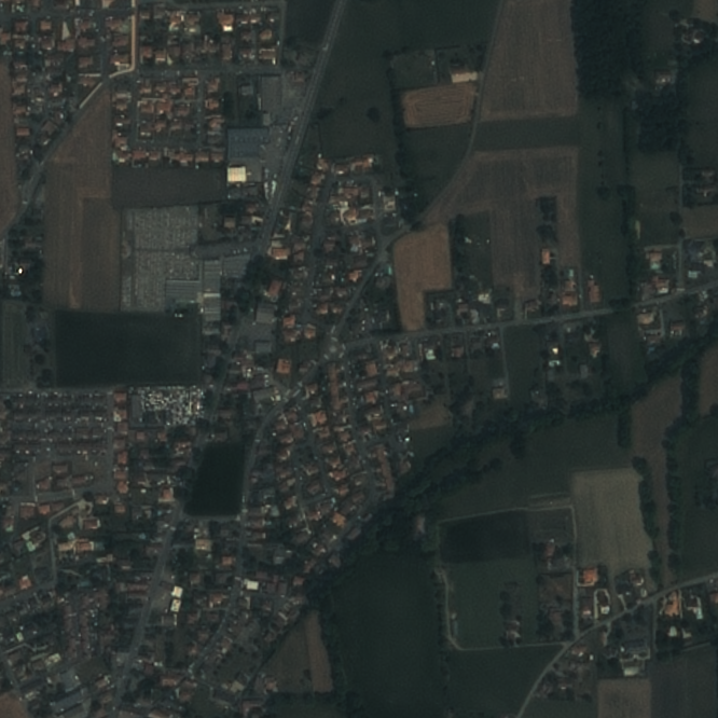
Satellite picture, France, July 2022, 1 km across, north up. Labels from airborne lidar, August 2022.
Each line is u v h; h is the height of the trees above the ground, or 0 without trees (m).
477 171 0
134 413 0
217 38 7
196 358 0
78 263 0
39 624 9
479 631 0
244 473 0
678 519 20
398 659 0
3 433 0
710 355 0
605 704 0
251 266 18
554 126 0
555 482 0
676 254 0
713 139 0
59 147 0
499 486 0
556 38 0
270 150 0
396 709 0
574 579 0
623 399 13
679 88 15
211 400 17
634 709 0
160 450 8
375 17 0
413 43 0
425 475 12
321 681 0
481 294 0
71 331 0
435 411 0
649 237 0
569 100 0
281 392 0
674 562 22
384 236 0
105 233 0
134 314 0
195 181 0
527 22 0
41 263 12
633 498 0
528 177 0
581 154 0
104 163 0
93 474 0
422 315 0
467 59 0
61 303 0
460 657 0
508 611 9
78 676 0
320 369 6
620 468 0
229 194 0
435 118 0
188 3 0
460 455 22
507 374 0
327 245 0
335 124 0
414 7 0
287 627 7
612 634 6
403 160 18
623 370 0
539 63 0
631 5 13
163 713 0
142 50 0
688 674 0
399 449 0
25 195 0
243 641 0
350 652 0
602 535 0
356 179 0
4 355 0
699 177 10
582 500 0
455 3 0
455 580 0
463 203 0
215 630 7
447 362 0
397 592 0
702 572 0
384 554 9
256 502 6
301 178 5
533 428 21
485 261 0
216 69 0
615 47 8
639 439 0
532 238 0
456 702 0
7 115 0
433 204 0
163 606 0
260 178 0
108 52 0
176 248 0
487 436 23
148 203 0
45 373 9
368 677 0
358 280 5
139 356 0
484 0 0
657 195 0
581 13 22
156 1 0
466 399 14
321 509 0
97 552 0
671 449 23
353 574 16
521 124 0
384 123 0
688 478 0
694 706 0
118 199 0
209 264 0
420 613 0
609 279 0
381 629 0
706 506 15
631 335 0
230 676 0
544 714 0
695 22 12
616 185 0
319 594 18
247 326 0
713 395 0
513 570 0
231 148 0
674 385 0
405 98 0
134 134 0
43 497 0
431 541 23
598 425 0
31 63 10
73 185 0
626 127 9
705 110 0
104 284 0
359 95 0
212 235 0
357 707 18
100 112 0
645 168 0
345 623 0
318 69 0
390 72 7
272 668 0
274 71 0
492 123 0
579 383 7
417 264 0
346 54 0
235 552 12
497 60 0
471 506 0
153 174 0
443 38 0
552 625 16
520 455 14
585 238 0
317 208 0
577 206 0
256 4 0
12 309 0
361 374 8
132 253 0
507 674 0
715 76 0
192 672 0
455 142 0
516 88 0
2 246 0
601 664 8
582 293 0
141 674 7
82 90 0
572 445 0
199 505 0
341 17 0
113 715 0
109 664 7
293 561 10
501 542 0
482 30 0
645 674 0
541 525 0
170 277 0
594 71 16
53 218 0
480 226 0
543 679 6
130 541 7
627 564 0
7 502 8
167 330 0
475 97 0
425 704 0
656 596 0
